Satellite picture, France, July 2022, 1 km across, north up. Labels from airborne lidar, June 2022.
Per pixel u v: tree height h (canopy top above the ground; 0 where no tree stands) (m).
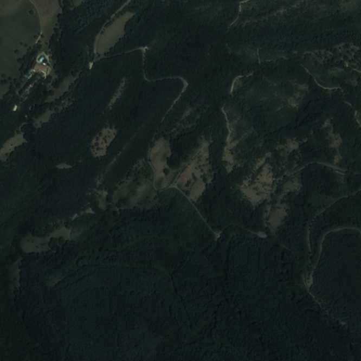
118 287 12
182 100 16
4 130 7
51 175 18
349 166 8
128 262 9
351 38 15
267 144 13
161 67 15
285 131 15
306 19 7
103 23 13
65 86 0
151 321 14
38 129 11
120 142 11
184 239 16
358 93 7
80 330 12
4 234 16
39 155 21
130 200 0
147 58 11
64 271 8
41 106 16
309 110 19
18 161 13
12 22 0
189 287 25
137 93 15
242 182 6
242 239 17
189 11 6
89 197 10
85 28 10
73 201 8
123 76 9
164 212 17
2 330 15
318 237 8
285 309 27
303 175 11
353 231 8
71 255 9
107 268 14
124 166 15
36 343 10
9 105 8
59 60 19
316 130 14
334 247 13
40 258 8
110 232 15
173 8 17
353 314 11
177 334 18
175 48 14
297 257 7
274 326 15
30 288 11
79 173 14
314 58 8
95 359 10
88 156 13
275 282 31
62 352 7
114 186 13
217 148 12
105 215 15
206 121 15
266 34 19
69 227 11
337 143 0
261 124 14
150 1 9
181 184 0
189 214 16
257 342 30
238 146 6
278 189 7
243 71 19
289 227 7
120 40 9
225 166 7
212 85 12
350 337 15
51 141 8
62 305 10
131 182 0
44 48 0
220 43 17
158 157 0
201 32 11
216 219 16
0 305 12
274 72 19
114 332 17
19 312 14
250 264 10
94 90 10
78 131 10
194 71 10
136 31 13
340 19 16
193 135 20
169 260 9
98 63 11
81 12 13
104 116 11
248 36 9
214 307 27
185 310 16
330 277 11
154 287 12
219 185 23
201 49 8
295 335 10
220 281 28
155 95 9
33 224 18
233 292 21
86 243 16
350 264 13
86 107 6
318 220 7
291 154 7
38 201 13
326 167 13
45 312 12
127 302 17
